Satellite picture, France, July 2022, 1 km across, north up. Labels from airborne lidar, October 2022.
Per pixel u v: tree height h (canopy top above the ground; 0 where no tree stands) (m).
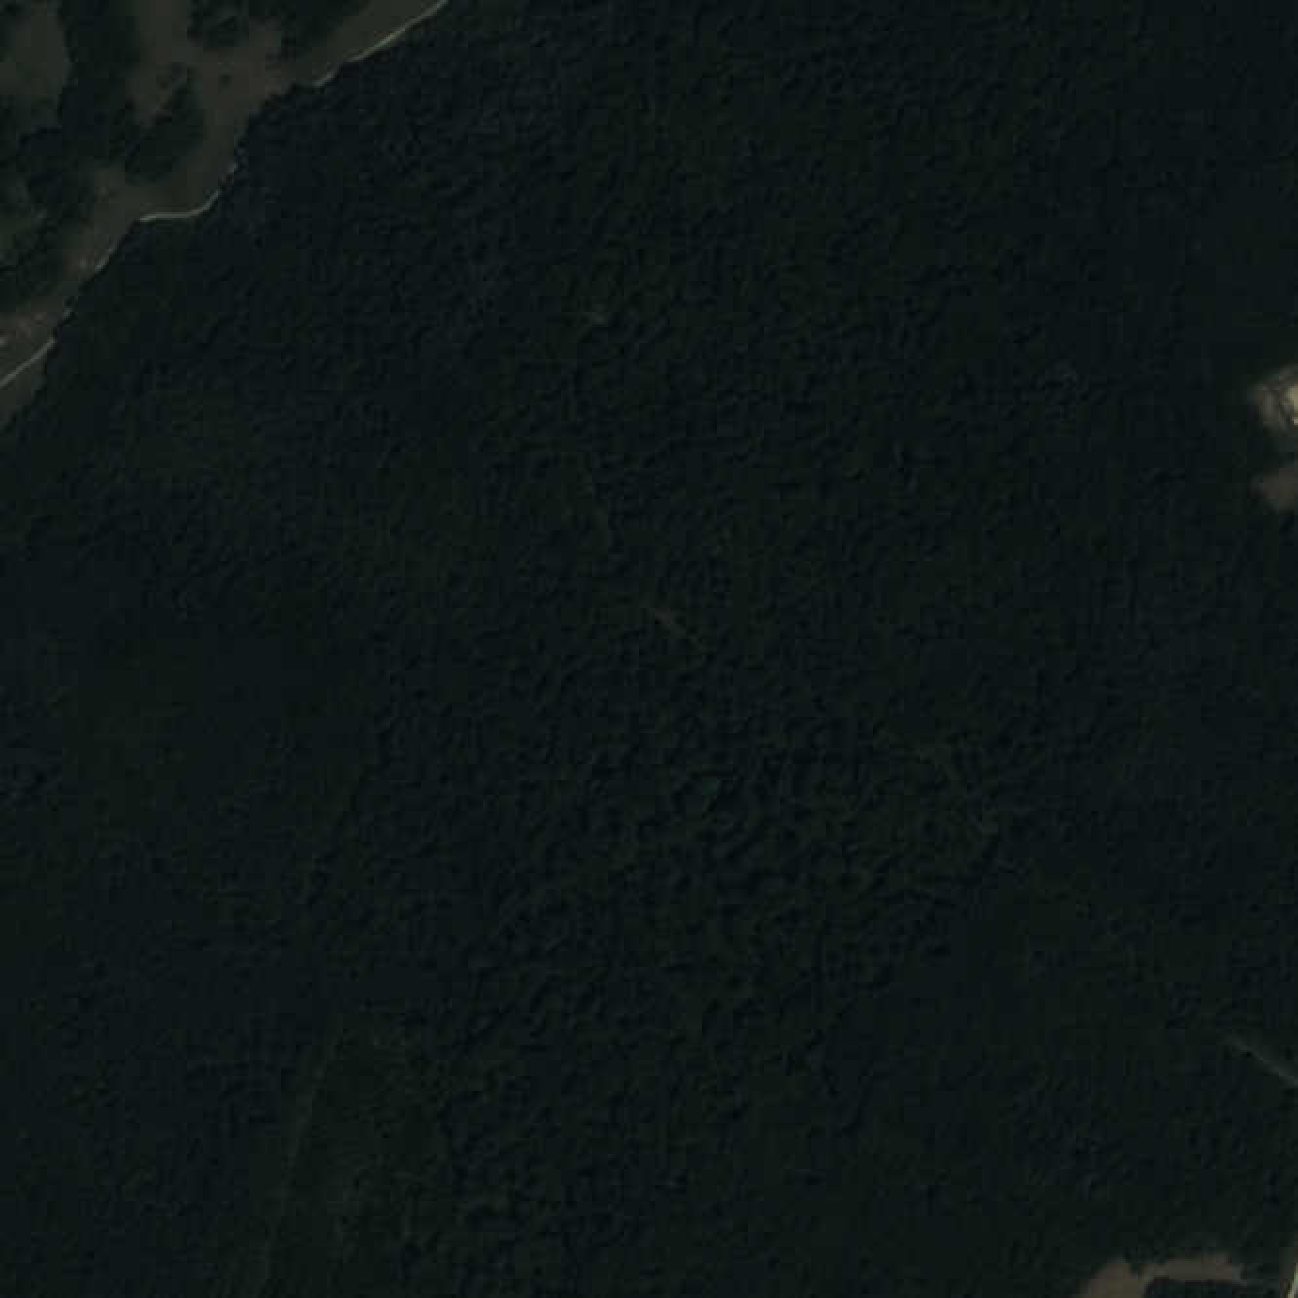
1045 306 23
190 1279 21
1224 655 23
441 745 17
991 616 21
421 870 26
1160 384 20
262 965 24
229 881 26
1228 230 22
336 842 15
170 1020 19
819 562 20
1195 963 19
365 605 16
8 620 21
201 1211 18
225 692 22
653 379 20
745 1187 19
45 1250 26
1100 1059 19
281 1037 26
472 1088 24
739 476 19
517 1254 29
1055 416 20
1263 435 14
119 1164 27
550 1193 17
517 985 30
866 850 22
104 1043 26
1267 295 26
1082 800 15
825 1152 25
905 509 16
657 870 22
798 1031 19
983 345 23
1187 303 21
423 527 12
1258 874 18
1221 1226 12
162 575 18
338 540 16
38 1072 24
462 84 23
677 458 24
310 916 17
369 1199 10
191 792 22
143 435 12
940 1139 22
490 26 8
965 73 18
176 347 17
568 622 19
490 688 22
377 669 17
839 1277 24
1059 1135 19
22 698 18
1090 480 17
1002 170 19
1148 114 21
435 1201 7
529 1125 19
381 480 17
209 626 20
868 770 26
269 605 23
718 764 8
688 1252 22
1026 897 19
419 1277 11
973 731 19
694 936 23
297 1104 20
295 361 16
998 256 17
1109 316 16
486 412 21
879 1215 20
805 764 6
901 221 21
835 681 23
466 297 17
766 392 18
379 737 6
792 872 6
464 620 11
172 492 8
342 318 22
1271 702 6
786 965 23
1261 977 20
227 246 18
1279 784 16
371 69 11
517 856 18
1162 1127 17
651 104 15
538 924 30
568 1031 18
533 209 14
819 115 20
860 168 15
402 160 20
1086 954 19
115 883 22
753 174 24
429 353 18
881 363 20
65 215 12
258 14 10
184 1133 24
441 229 18
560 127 18
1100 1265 14
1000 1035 19
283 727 23
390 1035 28
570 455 24
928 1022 21
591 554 22
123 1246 26
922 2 17
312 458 13
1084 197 23
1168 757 8
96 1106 23
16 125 8
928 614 20
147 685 19
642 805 32
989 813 19
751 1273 20
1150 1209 17
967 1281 20
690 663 19
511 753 21
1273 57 21
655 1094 20
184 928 25
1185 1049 25
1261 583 19
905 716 22
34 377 0
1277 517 8
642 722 24
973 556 18
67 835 17
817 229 18
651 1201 28
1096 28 18
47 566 26
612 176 6
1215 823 9
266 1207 18
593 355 22
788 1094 20
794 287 14
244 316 16
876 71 20
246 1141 21
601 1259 23
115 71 14
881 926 19
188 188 0
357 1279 6
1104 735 11
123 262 11
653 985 21
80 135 14
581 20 14
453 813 15
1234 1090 19
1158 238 18
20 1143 22
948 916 23
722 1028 20
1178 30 15
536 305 19
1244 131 22
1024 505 24
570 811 26
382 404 19
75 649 24
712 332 18
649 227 15
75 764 18
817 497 19
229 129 0
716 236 20
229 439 9
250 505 12
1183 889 20
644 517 22
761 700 22
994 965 21
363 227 19
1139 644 22
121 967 28
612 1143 23
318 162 26
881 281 23
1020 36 21
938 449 26
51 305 0
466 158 23
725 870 28
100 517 12
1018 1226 19
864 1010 19
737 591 20
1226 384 18
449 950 20
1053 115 16
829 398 23
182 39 0
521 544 9
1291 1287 0
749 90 18
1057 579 21
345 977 21
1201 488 21
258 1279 17
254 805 23
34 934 20
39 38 0
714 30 24
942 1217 19
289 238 18
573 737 25
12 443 11
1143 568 22
